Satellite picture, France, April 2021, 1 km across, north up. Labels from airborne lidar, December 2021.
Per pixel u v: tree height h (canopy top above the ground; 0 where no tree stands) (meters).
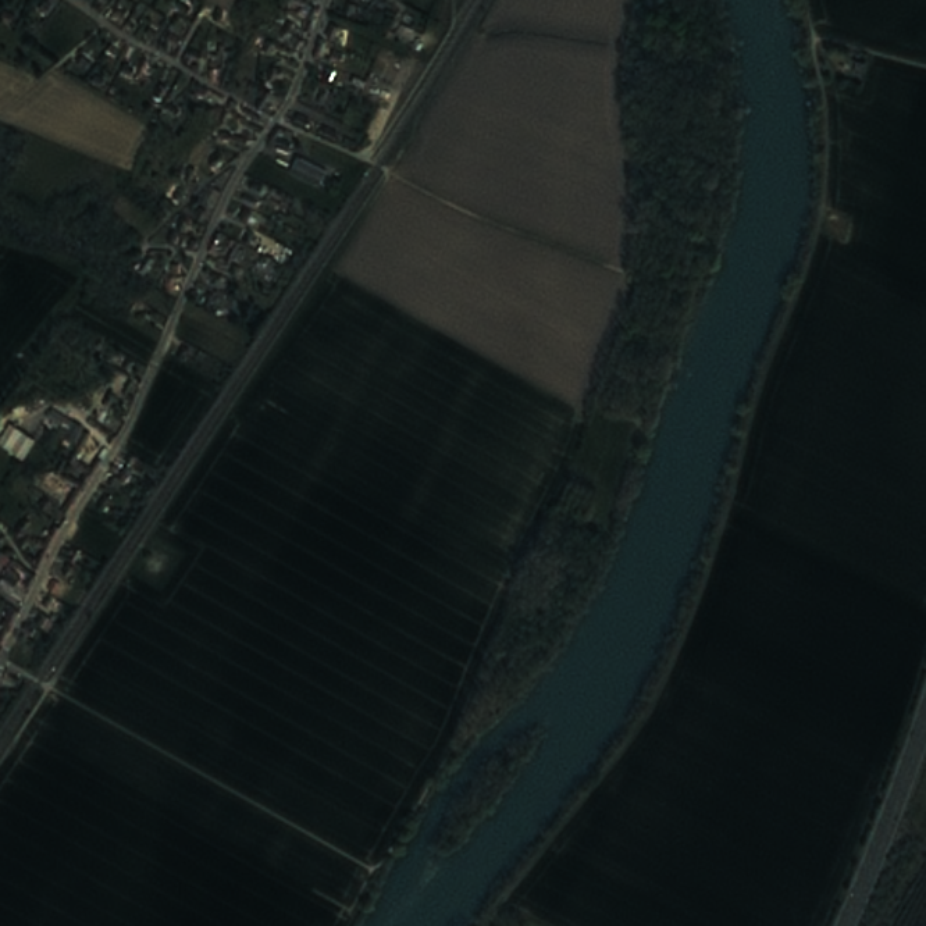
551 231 0
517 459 0
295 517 0
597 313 0
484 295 0
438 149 0
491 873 0
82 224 24
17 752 0
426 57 0
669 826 0
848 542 0
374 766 0
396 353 0
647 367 32
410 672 0
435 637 0
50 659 0
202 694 0
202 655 0
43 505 8
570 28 0
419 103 0
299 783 0
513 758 22
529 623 16
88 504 0
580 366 0
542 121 0
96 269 14
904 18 0
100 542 0
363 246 0
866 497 0
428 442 0
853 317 0
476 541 0
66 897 0
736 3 0
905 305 0
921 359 0
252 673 0
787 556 0
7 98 0
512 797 0
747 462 0
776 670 0
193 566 0
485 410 0
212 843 0
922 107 0
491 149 0
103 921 0
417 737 0
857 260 0
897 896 13
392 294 0
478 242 0
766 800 0
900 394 0
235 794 0
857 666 0
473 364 0
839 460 0
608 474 0
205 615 0
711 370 0
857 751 0
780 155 0
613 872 0
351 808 0
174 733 0
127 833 0
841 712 0
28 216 24
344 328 0
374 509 0
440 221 0
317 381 0
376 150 0
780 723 0
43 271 0
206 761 0
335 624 0
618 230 0
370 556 0
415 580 0
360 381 0
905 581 0
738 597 0
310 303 0
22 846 0
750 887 0
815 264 0
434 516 0
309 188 0
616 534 15
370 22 10
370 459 0
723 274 0
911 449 0
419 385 0
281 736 0
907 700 0
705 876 0
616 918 0
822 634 0
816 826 0
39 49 10
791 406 0
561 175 0
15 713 0
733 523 0
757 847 0
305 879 0
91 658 0
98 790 0
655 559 0
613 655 0
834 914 6
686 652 0
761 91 0
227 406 0
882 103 0
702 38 30
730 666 0
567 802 14
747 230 0
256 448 0
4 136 6
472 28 0
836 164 0
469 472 0
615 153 0
